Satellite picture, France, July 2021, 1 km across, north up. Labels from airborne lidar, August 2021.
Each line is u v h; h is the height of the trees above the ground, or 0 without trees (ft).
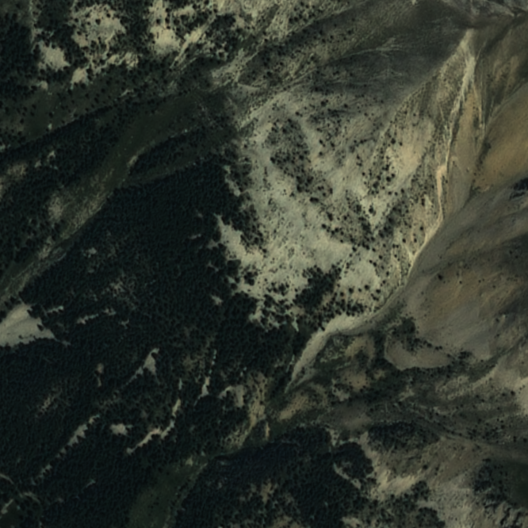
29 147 39
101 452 55
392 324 0
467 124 0
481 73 0
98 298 26
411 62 0
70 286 31
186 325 27
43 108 0
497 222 0
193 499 39
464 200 0
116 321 19
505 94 0
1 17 38
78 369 50
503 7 0
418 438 0
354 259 0
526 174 0
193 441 25
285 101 0
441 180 0
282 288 32
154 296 33
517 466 0
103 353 32
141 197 53
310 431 33
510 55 0
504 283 0
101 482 47
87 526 39
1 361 66
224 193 31
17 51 50
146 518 0
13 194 34
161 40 0
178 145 38
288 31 0
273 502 21
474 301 0
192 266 21
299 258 0
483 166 0
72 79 0
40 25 26
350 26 0
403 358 0
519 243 0
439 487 0
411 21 0
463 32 0
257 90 0
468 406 0
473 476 0
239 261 0
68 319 43
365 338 0
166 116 0
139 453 58
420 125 0
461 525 0
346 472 25
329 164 0
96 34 0
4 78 43
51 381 34
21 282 0
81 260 27
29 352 64
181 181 35
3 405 45
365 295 0
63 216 0
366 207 0
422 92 0
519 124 0
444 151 0
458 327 0
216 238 40
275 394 36
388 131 0
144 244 39
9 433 59
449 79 0
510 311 0
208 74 0
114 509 68
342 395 0
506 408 0
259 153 0
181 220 55
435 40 0
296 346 44
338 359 0
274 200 0
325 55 0
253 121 0
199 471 0
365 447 0
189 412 31
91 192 0
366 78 0
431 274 0
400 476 0
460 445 0
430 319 0
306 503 24
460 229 0
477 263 0
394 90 0
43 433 53
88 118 32
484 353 0
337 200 0
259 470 38
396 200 0
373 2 0
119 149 0
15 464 33
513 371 0
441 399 0
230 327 46
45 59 0
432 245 0
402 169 0
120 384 61
